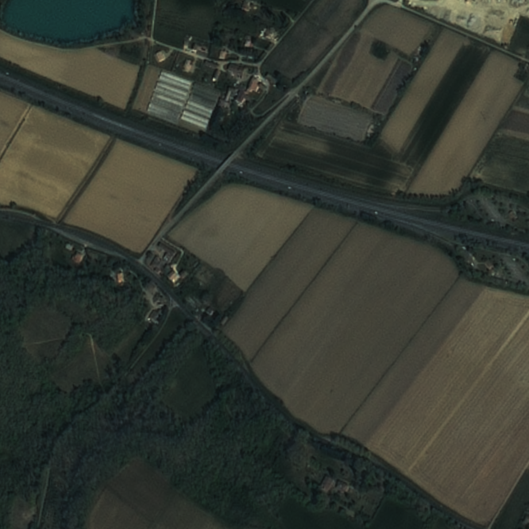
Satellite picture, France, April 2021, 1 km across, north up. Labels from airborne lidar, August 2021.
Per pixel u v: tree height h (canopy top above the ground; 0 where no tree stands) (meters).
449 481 0
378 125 0
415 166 0
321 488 15
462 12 0
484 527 0
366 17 0
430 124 0
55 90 0
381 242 0
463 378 0
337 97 0
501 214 9
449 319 0
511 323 0
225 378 15
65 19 0
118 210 0
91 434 15
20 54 0
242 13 12
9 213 0
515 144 0
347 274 0
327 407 0
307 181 0
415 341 0
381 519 0
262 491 14
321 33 0
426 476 0
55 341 0
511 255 11
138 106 0
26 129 0
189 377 0
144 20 18
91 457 7
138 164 0
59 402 24
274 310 0
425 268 0
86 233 0
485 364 0
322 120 0
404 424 0
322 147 0
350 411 0
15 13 0
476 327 0
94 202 0
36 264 22
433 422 0
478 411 0
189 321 7
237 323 0
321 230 0
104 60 0
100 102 12
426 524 7
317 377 0
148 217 0
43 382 15
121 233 0
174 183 0
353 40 0
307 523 0
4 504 13
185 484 19
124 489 0
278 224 0
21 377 16
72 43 12
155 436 13
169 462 17
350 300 0
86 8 0
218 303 0
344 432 0
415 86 0
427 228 0
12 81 0
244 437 19
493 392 0
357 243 0
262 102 0
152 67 0
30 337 0
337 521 0
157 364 17
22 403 19
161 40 0
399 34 0
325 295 0
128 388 7
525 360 0
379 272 0
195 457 18
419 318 0
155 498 0
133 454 15
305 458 31
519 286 10
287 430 22
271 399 0
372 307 0
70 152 0
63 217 0
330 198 0
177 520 0
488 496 0
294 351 0
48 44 7
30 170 0
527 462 0
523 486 0
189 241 0
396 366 0
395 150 0
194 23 0
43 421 14
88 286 17
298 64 0
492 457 0
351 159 0
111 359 0
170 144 0
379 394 0
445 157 0
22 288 26
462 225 0
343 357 0
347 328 0
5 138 0
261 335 0
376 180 0
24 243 0
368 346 0
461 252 8
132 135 0
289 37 0
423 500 19
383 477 11
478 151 0
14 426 26
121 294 14
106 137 0
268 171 0
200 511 0
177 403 0
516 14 0
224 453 23
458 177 0
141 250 0
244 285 0
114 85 0
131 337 0
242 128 17
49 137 0
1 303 26
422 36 0
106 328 18
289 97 0
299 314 0
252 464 19
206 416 17
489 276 10
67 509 13
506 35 0
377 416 0
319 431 0
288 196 9
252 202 0
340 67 0
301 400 0
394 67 0
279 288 0
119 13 0
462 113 0
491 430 0
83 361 0
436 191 0
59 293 24
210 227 0
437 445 0
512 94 0
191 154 0
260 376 0
